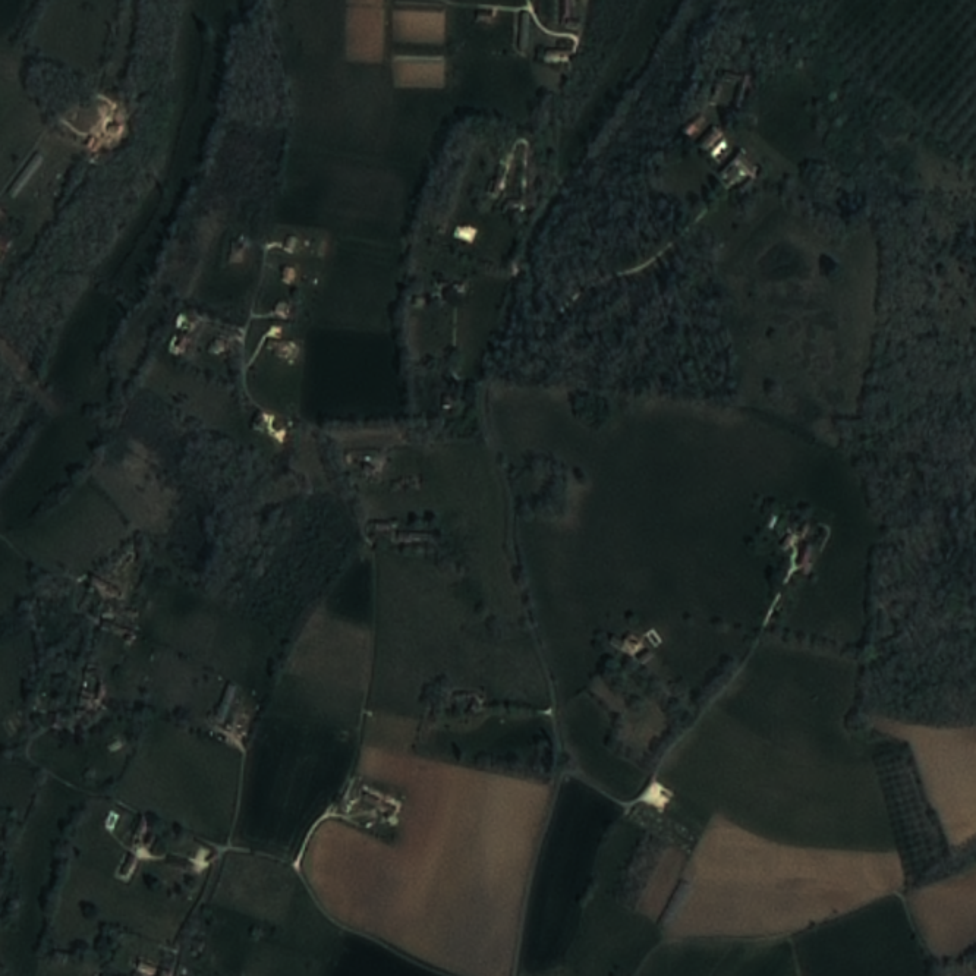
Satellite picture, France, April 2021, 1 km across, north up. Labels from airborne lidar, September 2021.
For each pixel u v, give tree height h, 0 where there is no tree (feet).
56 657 31
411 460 0
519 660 0
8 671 0
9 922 49
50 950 19
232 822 0
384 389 0
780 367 0
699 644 0
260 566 40
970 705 65
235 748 0
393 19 0
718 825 0
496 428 0
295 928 0
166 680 0
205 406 0
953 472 76
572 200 38
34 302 75
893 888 0
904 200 41
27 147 0
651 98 23
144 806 0
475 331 0
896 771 28
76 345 0
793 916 0
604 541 0
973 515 86
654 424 0
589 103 74
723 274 0
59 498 50
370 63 0
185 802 0
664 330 51
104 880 0
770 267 0
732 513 0
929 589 75
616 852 0
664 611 0
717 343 67
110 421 48
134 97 69
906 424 67
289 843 0
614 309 65
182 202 45
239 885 0
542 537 0
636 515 0
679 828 0
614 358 76
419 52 0
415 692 0
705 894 0
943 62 26
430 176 60
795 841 0
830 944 0
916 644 80
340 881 0
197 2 0
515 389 48
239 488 86
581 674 0
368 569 0
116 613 46
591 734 0
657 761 52
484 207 48
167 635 0
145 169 72
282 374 0
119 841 0
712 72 43
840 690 0
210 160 39
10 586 0
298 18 0
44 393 25
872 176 24
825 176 53
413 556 40
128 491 0
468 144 68
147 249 0
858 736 51
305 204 0
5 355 0
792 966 0
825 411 0
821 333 0
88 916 37
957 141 31
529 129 33
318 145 0
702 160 25
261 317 0
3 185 0
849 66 35
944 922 0
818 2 34
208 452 64
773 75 37
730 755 0
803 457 0
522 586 64
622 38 49
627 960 0
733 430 0
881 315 51
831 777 0
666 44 37
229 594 48
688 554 0
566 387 56
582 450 0
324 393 0
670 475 0
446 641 0
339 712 0
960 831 0
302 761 0
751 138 0
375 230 0
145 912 0
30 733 34
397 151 0
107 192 67
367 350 0
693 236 75
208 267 0
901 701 68
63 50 0
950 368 38
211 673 24
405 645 0
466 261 30
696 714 24
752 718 0
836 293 0
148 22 73
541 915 0
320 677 0
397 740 0
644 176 54
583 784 0
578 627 0
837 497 0
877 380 59
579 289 66
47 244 58
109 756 0
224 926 0
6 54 0
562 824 0
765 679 0
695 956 0
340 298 0
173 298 43
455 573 53
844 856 0
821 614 0
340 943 0
